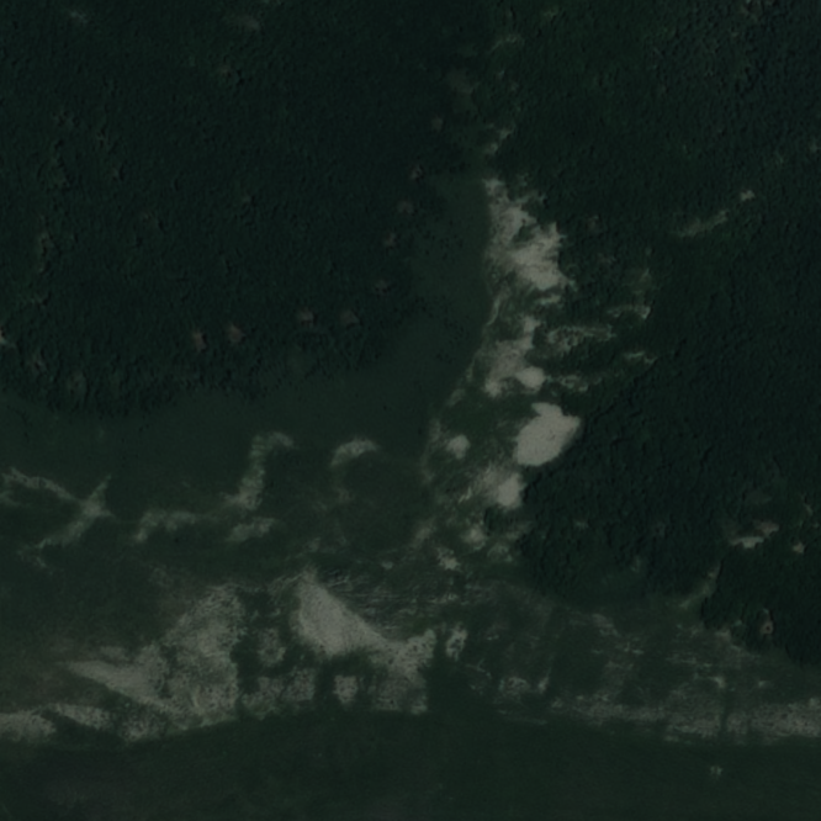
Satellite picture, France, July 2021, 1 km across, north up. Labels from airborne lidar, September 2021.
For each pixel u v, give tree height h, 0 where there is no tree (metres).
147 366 11
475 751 0
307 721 0
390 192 11
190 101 16
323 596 0
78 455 0
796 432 12
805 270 14
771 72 17
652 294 10
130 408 8
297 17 18
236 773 0
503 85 17
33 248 18
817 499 15
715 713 0
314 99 14
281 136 11
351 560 0
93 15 8
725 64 15
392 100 11
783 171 12
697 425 16
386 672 0
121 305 13
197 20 15
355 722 0
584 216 12
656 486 11
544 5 16
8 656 0
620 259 8
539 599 0
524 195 7
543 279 0
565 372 10
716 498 12
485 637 0
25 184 12
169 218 19
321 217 10
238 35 13
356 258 13
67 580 0
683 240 14
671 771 0
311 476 0
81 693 0
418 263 0
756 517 9
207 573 0
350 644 0
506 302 0
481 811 0
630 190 15
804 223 15
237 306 17
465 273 0
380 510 0
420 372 0
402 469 0
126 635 0
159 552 0
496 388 0
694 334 14
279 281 15
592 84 15
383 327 11
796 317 10
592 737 0
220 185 13
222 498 0
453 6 13
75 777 0
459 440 0
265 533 0
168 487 0
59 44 13
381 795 0
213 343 13
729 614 10
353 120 13
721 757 0
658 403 13
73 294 9
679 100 17
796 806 0
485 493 0
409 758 0
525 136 18
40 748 0
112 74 15
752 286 11
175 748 0
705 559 11
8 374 11
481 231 0
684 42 12
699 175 16
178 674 0
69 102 13
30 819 0
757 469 9
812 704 0
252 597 0
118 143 16
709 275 13
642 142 13
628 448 11
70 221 16
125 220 20
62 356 14
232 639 0
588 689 0
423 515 0
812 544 14
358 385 0
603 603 0
